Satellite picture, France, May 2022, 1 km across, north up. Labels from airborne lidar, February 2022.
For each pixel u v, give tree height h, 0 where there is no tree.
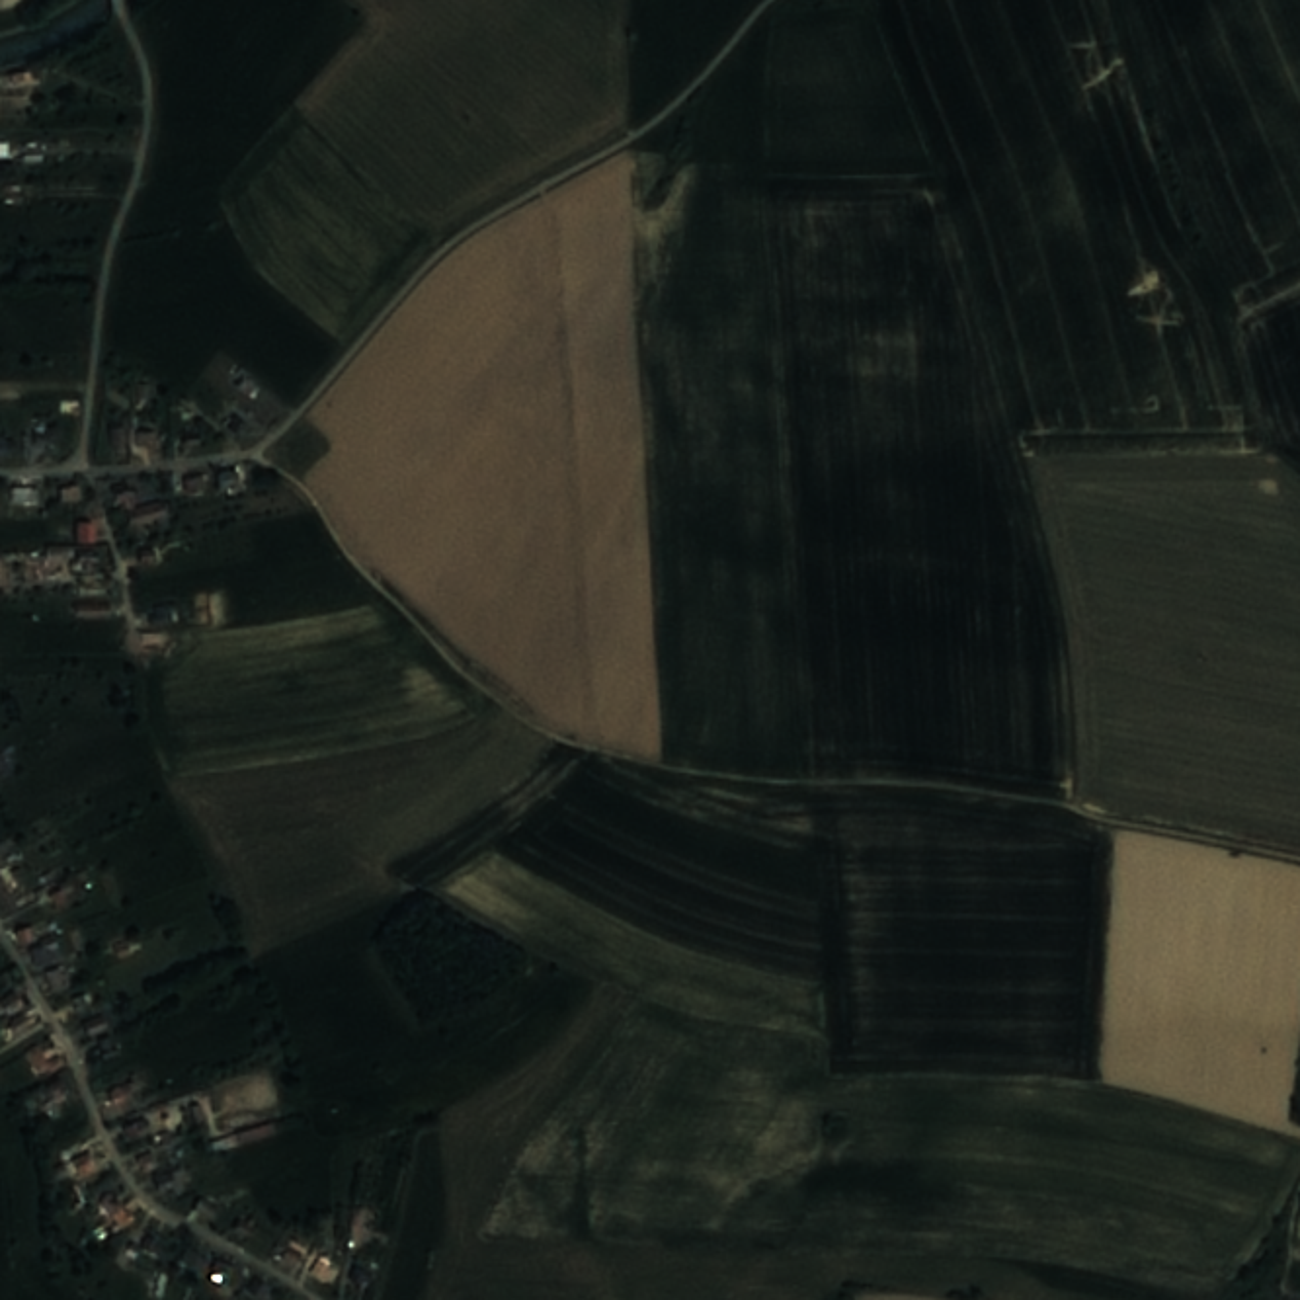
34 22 15
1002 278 0
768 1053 0
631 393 0
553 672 0
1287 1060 0
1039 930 0
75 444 0
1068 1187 0
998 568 0
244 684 0
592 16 0
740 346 0
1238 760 0
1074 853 0
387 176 0
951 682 0
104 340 0
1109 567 0
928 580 0
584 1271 0
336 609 0
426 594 0
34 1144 13
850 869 0
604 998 0
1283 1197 0
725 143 0
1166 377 0
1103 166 0
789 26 0
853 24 0
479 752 0
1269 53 0
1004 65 0
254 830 0
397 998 0
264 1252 0
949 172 0
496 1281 0
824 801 0
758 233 0
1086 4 0
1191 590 0
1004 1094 0
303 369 0
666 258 0
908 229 0
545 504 0
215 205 0
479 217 0
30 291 8
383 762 0
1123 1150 0
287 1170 0
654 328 0
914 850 0
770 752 0
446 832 0
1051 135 0
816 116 0
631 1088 0
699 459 0
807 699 0
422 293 0
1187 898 0
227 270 0
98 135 0
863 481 0
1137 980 0
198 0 0
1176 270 0
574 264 0
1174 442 0
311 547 0
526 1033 0
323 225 0
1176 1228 0
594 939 0
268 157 0
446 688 0
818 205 0
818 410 0
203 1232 0
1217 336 0
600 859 0
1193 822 0
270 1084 0
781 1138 0
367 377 0
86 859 0
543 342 0
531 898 0
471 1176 0
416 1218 0
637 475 0
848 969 0
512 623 0
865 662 0
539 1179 0
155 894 0
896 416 0
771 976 0
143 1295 0
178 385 0
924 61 0
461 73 0
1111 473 0
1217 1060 0
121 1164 0
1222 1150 0
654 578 0
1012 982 0
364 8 0
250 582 0
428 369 0
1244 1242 0
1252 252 0
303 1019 0
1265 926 0
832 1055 0
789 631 0
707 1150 0
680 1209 0
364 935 0
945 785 0
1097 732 0
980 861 0
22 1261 0
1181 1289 0
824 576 0
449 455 0
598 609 0
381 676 0
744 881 0
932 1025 0
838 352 0
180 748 0
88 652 0
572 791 0
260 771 0
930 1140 0
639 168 0
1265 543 0
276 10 0
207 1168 0
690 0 0
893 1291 0
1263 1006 0
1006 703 0
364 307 0
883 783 0
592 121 0
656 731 0
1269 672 0
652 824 0
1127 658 0
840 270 0
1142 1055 0
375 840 0
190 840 0
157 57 0
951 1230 0
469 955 17
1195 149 0
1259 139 0
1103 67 0
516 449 0
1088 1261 0
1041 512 0
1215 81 0
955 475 0
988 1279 0
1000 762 0
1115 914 0
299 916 0
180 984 15
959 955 0
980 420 0
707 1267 0
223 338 0
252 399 0
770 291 0
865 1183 0
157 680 0
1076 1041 0
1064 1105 0
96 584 0
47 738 0
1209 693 0
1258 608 0
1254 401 0
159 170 0
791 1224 0
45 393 0
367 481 0
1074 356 0
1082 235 0
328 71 0
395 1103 0
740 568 0
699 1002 0
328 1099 0
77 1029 0
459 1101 0
